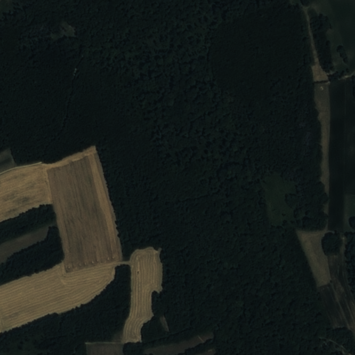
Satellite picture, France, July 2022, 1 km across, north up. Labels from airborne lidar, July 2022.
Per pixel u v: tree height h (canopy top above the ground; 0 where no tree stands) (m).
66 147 17
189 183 12
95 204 0
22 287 0
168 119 25
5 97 14
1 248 0
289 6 17
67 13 20
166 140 30
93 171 0
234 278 24
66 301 0
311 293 24
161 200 22
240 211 29
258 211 23
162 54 23
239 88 12
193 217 18
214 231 20
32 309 0
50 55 25
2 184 0
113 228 0
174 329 14
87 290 0
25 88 15
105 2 28
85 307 17
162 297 20
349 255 18
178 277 20
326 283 0
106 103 11
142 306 0
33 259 19
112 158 12
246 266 26
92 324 16
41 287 0
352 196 0
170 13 23
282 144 19
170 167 27
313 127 24
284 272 30
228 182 27
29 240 0
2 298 0
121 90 21
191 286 20
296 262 26
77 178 0
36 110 15
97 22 21
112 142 12
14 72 9
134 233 26
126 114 10
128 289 19
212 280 25
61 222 0
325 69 19
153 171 11
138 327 0
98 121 15
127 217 23
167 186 14
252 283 21
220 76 16
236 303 26
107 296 22
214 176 10
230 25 10
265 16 10
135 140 13
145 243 18
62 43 23
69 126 16
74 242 0
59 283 0
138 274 0
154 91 9
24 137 16
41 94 13
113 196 24
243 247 22
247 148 14
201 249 19
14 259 18
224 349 27
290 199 18
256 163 22
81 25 19
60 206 0
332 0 0
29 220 16
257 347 23
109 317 24
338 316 0
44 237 0
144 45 19
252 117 27
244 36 14
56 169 0
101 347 0
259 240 25
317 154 17
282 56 13
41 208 17
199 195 13
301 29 16
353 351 23
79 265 0
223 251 22
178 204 22
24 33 22
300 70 20
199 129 28
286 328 21
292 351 23
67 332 22
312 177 20
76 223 0
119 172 12
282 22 17
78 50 8
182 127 28
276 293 22
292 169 15
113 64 7
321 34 8
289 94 16
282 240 22
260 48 16
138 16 26
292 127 19
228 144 27
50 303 0
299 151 19
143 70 25
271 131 19
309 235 0
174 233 24
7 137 19
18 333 24
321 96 0
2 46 14
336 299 0
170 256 19
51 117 15
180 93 21
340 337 19
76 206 0
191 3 21
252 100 19
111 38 20
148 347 15
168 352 0
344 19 0
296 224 20
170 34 21
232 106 13
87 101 16
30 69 17
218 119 22
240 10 33
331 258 0
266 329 22
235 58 12
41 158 17
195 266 17
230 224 27
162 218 24
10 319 0
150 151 11
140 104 10
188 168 13
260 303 29
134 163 14
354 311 0
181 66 24
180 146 28
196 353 19
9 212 0
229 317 30
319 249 0
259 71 13
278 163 17
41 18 24
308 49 5
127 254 8
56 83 13
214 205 23
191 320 10
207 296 19
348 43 0
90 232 0
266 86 15
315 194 28
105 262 0
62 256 21
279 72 14
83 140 20
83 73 10
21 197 0
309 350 26
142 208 13
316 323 26
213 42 14
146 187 18
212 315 21
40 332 18
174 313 13
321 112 0
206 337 0
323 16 18
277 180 0
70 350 12
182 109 23
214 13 29
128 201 23
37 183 0
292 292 26
